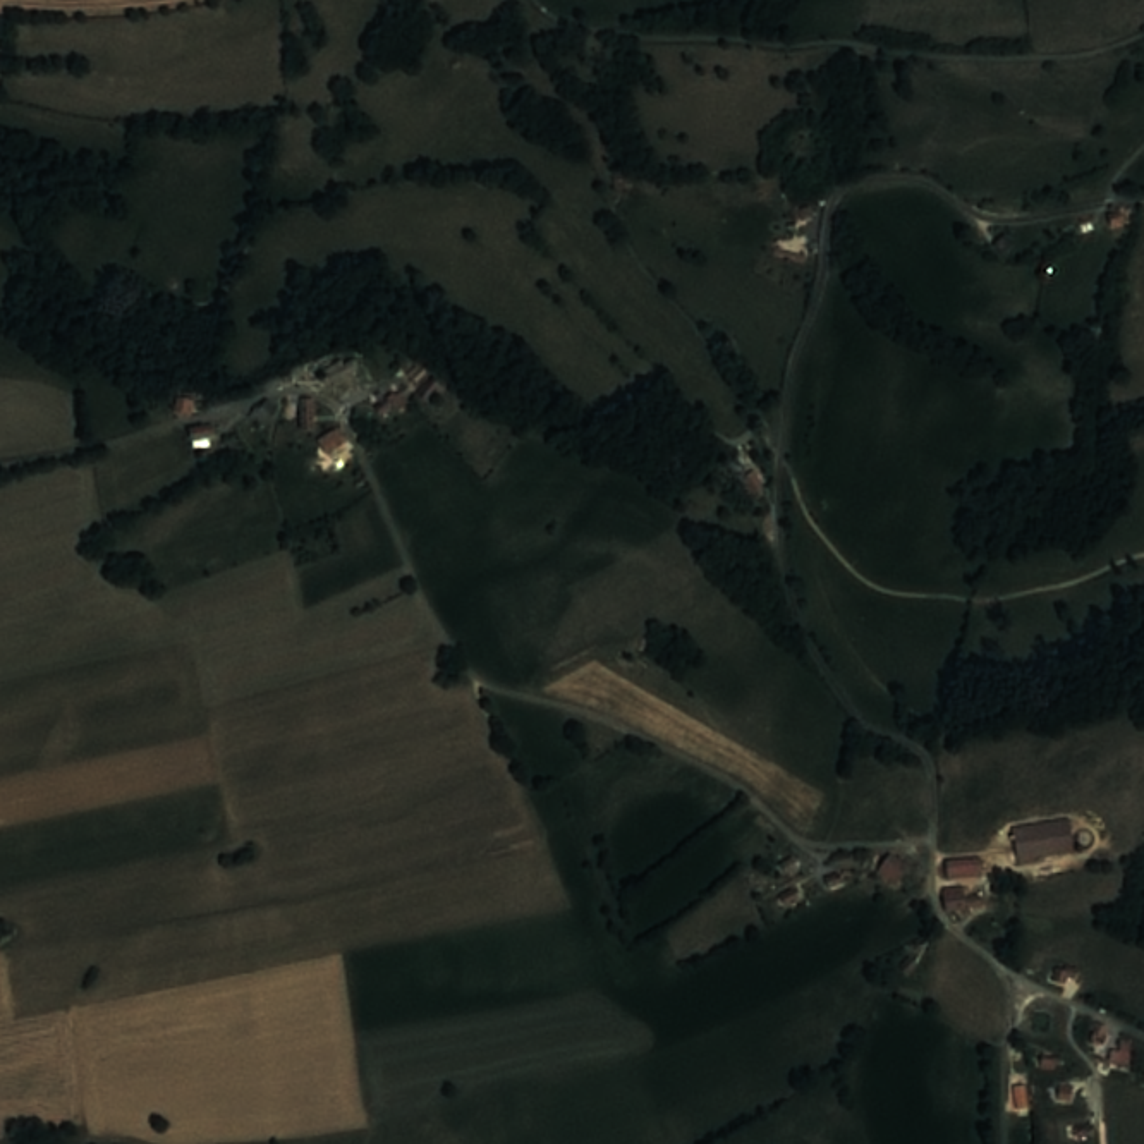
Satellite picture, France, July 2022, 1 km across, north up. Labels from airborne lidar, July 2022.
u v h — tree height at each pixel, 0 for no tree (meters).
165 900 0
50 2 0
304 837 0
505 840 0
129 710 0
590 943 0
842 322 0
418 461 0
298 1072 0
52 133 0
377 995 0
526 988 0
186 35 0
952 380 0
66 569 0
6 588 0
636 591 0
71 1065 0
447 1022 0
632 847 0
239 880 0
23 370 0
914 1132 0
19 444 0
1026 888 11
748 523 0
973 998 0
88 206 17
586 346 0
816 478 0
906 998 8
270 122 24
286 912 0
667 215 0
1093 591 0
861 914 0
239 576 0
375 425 6
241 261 25
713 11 13
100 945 0
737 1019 0
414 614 0
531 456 0
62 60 12
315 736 0
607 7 0
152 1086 0
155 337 17
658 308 0
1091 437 23
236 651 0
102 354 21
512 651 0
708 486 15
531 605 0
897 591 0
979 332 0
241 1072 0
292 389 0
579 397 12
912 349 12
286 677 0
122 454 0
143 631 0
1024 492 29
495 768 0
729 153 0
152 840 0
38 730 0
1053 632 0
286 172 0
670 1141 0
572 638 0
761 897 9
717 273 0
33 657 0
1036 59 0
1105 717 11
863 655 0
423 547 0
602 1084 0
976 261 0
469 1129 0
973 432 0
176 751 0
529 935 0
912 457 0
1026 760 0
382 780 0
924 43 7
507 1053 0
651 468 26
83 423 17
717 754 0
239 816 0
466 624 0
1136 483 8
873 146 12
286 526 7
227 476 20
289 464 0
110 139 0
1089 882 0
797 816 0
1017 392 0
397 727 0
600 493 0
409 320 27
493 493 0
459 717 0
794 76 11
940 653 0
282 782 0
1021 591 0
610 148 18
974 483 11
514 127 16
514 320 0
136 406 19
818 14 0
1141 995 0
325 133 17
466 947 0
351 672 0
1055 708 25
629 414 34
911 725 12
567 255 0
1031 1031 0
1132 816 0
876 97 10
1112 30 0
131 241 0
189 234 0
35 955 0
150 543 0
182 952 0
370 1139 0
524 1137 0
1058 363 0
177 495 20
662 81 10
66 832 0
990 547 23
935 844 0
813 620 0
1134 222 6
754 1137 0
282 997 0
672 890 0
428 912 0
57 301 28
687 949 0
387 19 21
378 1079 0
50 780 0
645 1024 0
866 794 0
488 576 0
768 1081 0
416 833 0
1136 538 0
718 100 0
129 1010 0
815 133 7
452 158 0
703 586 0
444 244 0
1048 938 0
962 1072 0
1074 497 13
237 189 0
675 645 15
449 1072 0
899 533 0
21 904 0
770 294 0
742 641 0
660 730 0
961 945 0
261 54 0
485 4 0
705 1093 0
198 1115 0
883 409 0
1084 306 0
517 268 0
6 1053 0
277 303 0
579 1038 0
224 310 20
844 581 0
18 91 0
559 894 0
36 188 6
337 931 0
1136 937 16
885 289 18
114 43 0
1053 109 0
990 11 0
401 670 0
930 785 0
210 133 19
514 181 24
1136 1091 0
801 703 0
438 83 0
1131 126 0
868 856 8
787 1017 0
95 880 0
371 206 0
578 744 14
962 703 23
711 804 0
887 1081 0
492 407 20
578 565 0
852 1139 0
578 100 21
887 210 0
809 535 0
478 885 0
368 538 0
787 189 11
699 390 0
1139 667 23
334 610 0
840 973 0
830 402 0
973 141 0
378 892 0
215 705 0
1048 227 0
